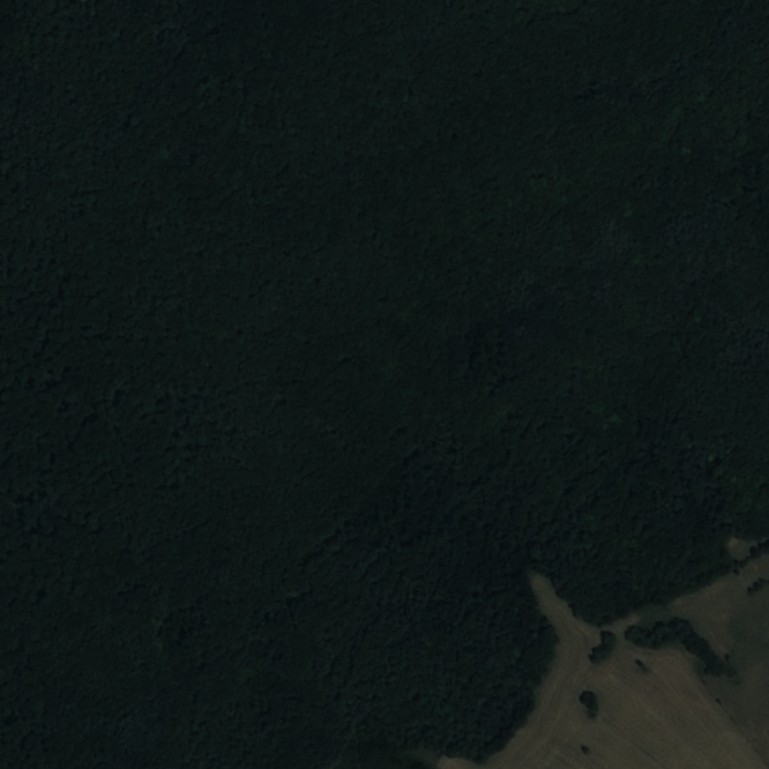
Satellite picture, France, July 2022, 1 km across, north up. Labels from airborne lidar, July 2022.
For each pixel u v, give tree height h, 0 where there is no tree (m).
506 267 18
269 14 24
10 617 23
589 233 20
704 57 17
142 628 20
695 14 21
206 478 20
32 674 22
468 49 17
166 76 18
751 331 16
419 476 22
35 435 25
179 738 18
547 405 20
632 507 23
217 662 21
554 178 19
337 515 22
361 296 20
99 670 20
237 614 19
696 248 20
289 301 19
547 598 0
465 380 22
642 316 21
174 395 17
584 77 21
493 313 21
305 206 20
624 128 19
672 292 17
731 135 22
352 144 18
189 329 18
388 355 22
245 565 16
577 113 14
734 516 20
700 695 0
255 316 17
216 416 19
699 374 23
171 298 20
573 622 0
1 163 20
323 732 21
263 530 23
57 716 20
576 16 17
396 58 18
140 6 19
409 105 17
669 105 19
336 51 19
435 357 27
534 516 22
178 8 14
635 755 0
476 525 17
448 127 21
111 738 20
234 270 18
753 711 0
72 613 23
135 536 21
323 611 19
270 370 18
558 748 0
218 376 17
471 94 17
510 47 17
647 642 6
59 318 22
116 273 19
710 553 24
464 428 23
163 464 20
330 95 19
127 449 22
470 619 24
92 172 16
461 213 22
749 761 0
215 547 21
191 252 15
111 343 22
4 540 21
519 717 17
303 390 20
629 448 26
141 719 23
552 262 19
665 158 17
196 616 16
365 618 15
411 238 26
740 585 0
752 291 18
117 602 24
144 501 20
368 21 18
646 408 29
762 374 22
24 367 27
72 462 25
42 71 11
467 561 17
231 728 18
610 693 0
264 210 19
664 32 21
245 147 17
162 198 19
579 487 22
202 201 22
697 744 0
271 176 19
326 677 9
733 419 20
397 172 24
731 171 24
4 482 23
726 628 0
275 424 17
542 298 21
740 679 0
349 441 23
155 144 17
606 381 17
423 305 22
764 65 20
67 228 19
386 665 21
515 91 19
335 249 20
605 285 21
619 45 22
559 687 0
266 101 17
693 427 23
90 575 18
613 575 23
